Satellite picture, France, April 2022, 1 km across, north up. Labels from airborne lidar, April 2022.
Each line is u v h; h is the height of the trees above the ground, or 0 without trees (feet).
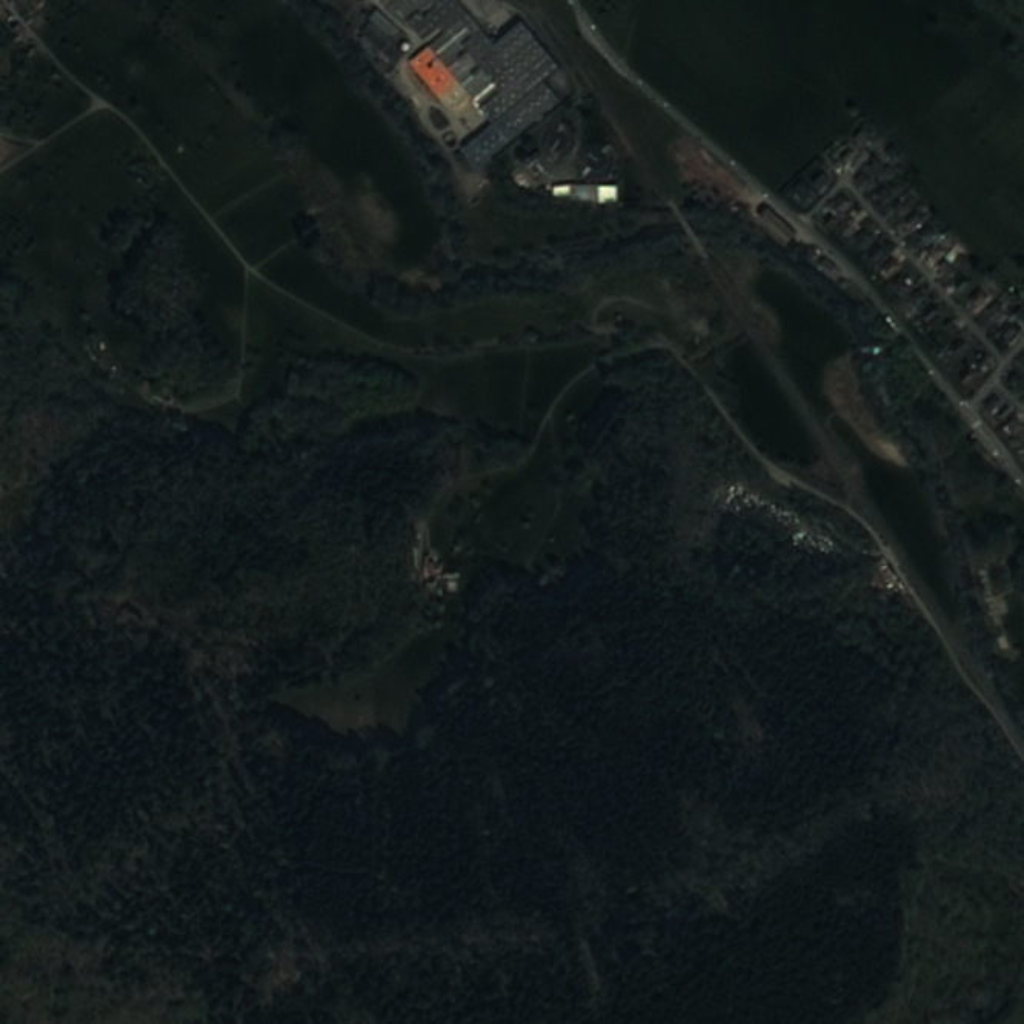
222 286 0
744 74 0
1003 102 0
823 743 115
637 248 78
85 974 44
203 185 0
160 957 28
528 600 69
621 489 49
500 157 36
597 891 62
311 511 79
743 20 0
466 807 71
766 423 0
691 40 0
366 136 0
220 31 0
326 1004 63
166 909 21
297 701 0
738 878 59
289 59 0
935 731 65
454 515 51
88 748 30
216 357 79
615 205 47
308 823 63
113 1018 63
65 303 0
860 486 0
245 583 44
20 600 92
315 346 0
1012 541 105
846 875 78
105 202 0
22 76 28
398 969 99
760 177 0
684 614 67
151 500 34
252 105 0
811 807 80
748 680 66
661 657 73
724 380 23
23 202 0
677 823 62
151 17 0
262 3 0
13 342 66
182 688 28
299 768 63
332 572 56
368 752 92
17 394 61
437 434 110
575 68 0
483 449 38
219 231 0
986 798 103
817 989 97
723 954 81
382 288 75
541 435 0
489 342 0
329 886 83
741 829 73
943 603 0
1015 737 0
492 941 68
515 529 0
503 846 71
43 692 109
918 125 0
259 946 65
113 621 79
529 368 0
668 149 0
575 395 0
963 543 57
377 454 94
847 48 0
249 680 37
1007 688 30
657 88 0
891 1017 38
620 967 121
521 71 0
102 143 0
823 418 0
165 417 61
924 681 66
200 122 0
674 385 57
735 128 0
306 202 0
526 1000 97
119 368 0
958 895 77
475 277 50
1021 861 49
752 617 68
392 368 52
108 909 44
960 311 0
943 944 56
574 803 76
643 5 0
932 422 103
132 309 41
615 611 54
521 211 36
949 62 0
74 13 22
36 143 0
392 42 0
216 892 19
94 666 106
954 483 71
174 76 0
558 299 52
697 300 0
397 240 0
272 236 0
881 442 0
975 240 0
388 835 93
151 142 0
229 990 102
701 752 85
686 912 71
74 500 60
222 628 46
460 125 0
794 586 74
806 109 0
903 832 92
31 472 91
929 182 0
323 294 0
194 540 41
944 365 0
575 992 124
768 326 0
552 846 69
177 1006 36
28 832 106
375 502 116
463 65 0
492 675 64
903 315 0
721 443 31
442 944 68
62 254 0
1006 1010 70
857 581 59
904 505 0
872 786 50
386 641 89
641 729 69
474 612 68
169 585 41
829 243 0
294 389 30
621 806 58
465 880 89
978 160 0
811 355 0
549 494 0
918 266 0
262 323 0
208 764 124
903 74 0
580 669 72
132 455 96
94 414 64
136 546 42
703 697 73
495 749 83
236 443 83
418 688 0
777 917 66
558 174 0
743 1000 92
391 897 56
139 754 20
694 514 52
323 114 0
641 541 53
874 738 87
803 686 75
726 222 45
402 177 0
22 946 51
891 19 0
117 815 112
